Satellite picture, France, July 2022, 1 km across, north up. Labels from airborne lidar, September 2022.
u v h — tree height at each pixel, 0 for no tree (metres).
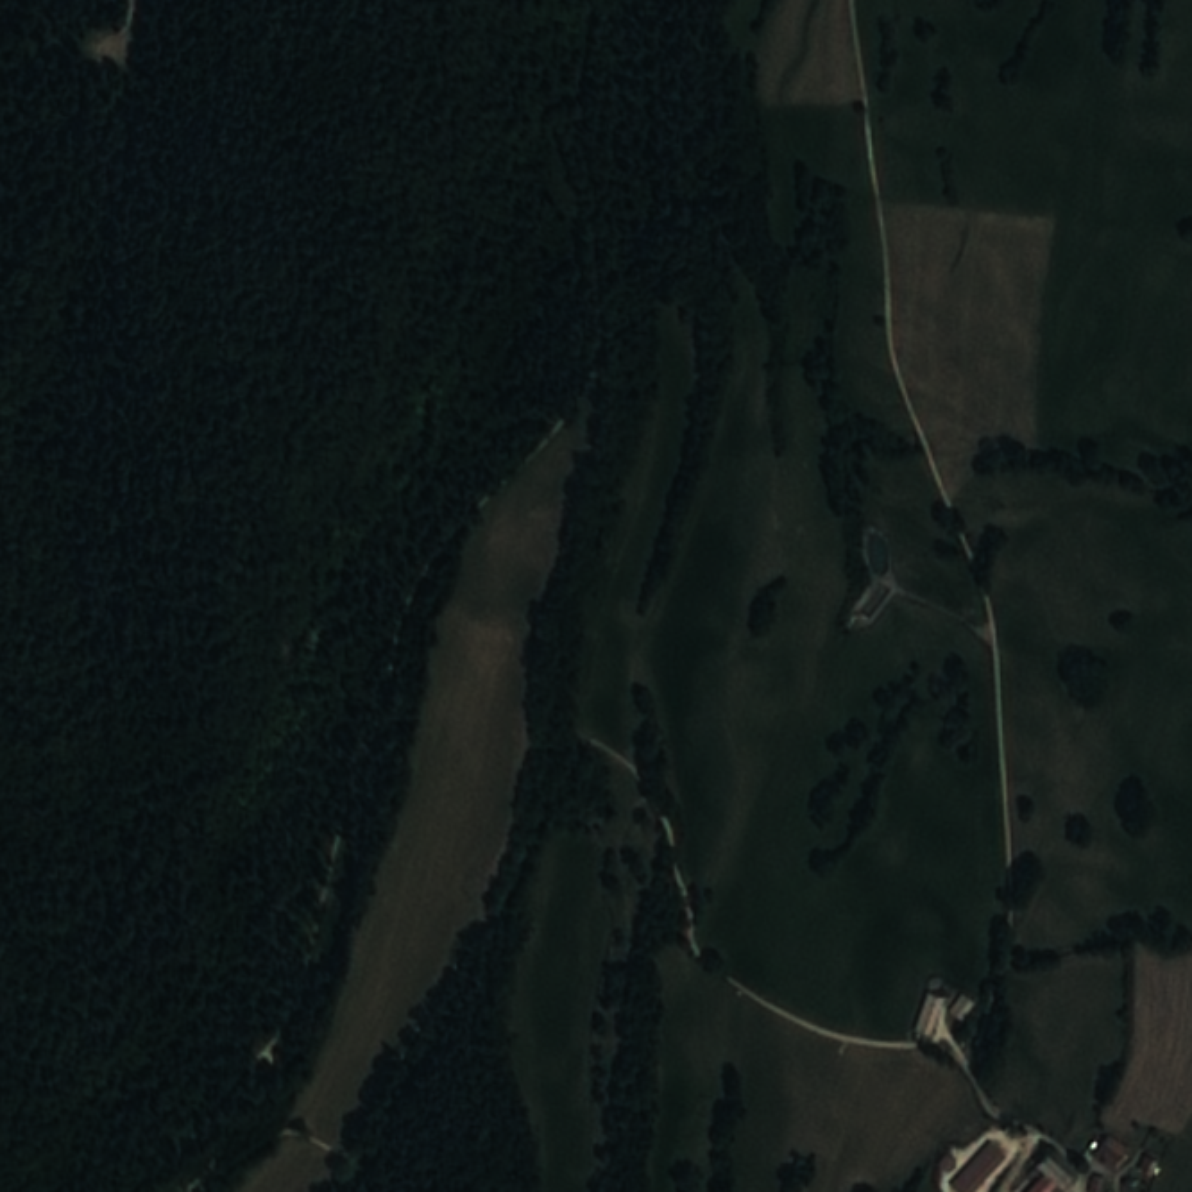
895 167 0
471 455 14
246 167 12
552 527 0
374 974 0
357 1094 0
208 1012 16
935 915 0
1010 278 0
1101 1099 13
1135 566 0
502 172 10
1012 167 0
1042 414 0
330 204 14
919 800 0
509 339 15
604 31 21
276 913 32
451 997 18
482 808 0
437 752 0
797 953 0
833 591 0
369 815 13
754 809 0
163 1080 24
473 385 13
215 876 12
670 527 19
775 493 0
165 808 12
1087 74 0
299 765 15
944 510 16
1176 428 0
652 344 19
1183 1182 0
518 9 24
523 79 26
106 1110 25
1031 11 0
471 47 20
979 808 0
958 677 18
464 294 25
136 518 16
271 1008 29
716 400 19
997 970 7
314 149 17
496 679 0
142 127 27
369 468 14
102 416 32
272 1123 23
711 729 0
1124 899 0
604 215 34
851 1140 0
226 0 10
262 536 18
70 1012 16
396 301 24
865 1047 0
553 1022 0
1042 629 0
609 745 0
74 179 17
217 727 12
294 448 12
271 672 11
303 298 19
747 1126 0
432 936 0
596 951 0
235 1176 21
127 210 21
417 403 13
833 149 0
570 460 0
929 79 0
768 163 10
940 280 0
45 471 12
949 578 0
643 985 19
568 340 23
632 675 0
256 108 10
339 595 10
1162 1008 0
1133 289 0
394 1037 0
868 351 0
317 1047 10
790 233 0
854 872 0
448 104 13
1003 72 6
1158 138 0
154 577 23
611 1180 19
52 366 31
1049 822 0
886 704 22
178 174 16
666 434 0
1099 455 16
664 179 12
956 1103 0
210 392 14
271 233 9
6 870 18
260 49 7
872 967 0
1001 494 0
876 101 0
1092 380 0
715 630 0
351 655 11
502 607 0
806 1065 0
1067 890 0
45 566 23
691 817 0
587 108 35
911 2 0
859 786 0
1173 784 0
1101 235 0
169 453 11
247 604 10
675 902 18
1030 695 0
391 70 15
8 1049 14
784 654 0
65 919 7
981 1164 0
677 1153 0
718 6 13
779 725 0
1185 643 0
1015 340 0
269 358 15
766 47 0
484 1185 13
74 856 20
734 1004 0
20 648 13
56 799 17
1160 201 0
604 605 0
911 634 0
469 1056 20
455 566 18
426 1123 18
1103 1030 0
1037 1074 0
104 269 14
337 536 24
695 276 26
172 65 11
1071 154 0
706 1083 0
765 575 0
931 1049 13
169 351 16
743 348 0
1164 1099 0
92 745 9
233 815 20
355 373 11
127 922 17
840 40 0
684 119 27
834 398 21
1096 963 0
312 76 12
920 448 9
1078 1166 17
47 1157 11
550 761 22
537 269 16
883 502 0
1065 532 0
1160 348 0
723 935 0
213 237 18
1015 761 0
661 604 0
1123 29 17
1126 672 0
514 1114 25
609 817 16
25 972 13
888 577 0
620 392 26
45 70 14
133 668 9
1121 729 0
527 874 15
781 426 6
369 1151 13
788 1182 18
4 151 20
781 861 0
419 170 20
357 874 27
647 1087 23
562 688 29
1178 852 0
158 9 25
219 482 15
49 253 18
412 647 10
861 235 0
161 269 10
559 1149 0
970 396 0
